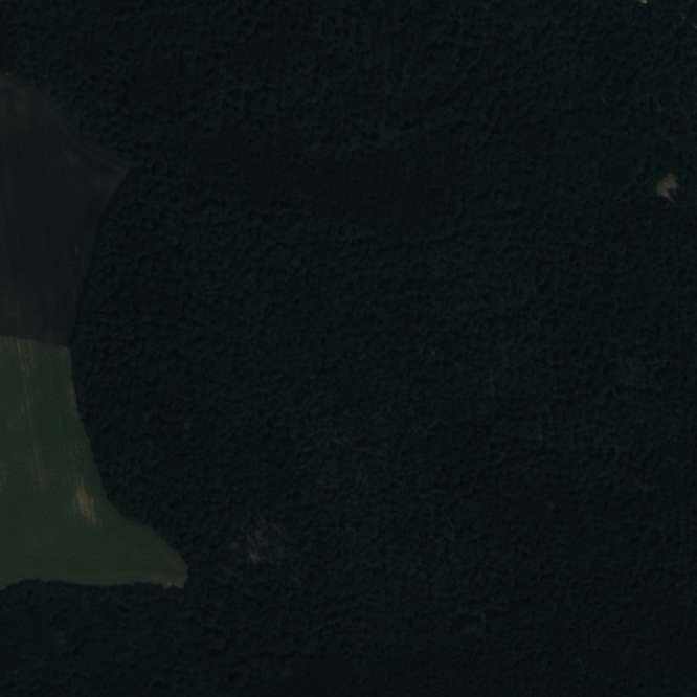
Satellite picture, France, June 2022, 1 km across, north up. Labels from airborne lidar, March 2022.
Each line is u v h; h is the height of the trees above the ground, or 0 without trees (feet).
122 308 93
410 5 21
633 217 46
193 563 54
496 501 55
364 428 73
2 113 0
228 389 85
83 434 0
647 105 67
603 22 56
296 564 67
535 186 64
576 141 59
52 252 0
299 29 37
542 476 69
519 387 68
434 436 46
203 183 45
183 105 60
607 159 68
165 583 0
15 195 0
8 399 0
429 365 75
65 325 0
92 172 0
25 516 0
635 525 51
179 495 79
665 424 85
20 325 0
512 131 68
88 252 0
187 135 44
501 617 74
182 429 90
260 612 68
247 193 56
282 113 56
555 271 85
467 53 73
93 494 0
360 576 68
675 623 60
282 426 81
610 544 25
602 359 51
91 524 0
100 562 0
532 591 59
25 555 0
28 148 0
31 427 0
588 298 65
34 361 0
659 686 63
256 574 74
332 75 71
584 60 70
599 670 60
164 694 48
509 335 67
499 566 73
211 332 87
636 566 45
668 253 53
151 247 96
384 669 47
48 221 0
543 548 65
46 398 0
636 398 73
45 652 55
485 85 73
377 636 63
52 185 0
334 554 59
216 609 67
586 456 62
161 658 54
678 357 71
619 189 67
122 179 0
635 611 62
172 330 98
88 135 44
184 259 83
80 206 0
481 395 68
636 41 70
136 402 85
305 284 72
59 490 0
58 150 0
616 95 73
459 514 66
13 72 53
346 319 75
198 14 65
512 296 72
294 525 66
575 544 61
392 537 76
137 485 75
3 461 0
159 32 25
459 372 93
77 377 47
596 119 59
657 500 72
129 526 0
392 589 75
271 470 65
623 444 75
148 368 91
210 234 85
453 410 63
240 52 31
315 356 71
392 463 65
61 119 0
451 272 64
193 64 63
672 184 0
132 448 75
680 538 41
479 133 63
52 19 30
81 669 51
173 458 93
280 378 52
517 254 63
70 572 0
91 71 19
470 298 76
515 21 78
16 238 0
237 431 75
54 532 0
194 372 83
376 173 24
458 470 52
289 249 72
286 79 28
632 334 44
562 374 63
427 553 65
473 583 81
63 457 0
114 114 81
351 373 70
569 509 66
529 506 57
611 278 61
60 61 66
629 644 72
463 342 70
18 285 0
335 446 75
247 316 72
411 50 64
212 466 85
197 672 68
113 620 53
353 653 42
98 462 47
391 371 67
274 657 66
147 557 0
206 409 74
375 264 73
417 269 73
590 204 41
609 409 58
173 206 86
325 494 71
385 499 47
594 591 50
